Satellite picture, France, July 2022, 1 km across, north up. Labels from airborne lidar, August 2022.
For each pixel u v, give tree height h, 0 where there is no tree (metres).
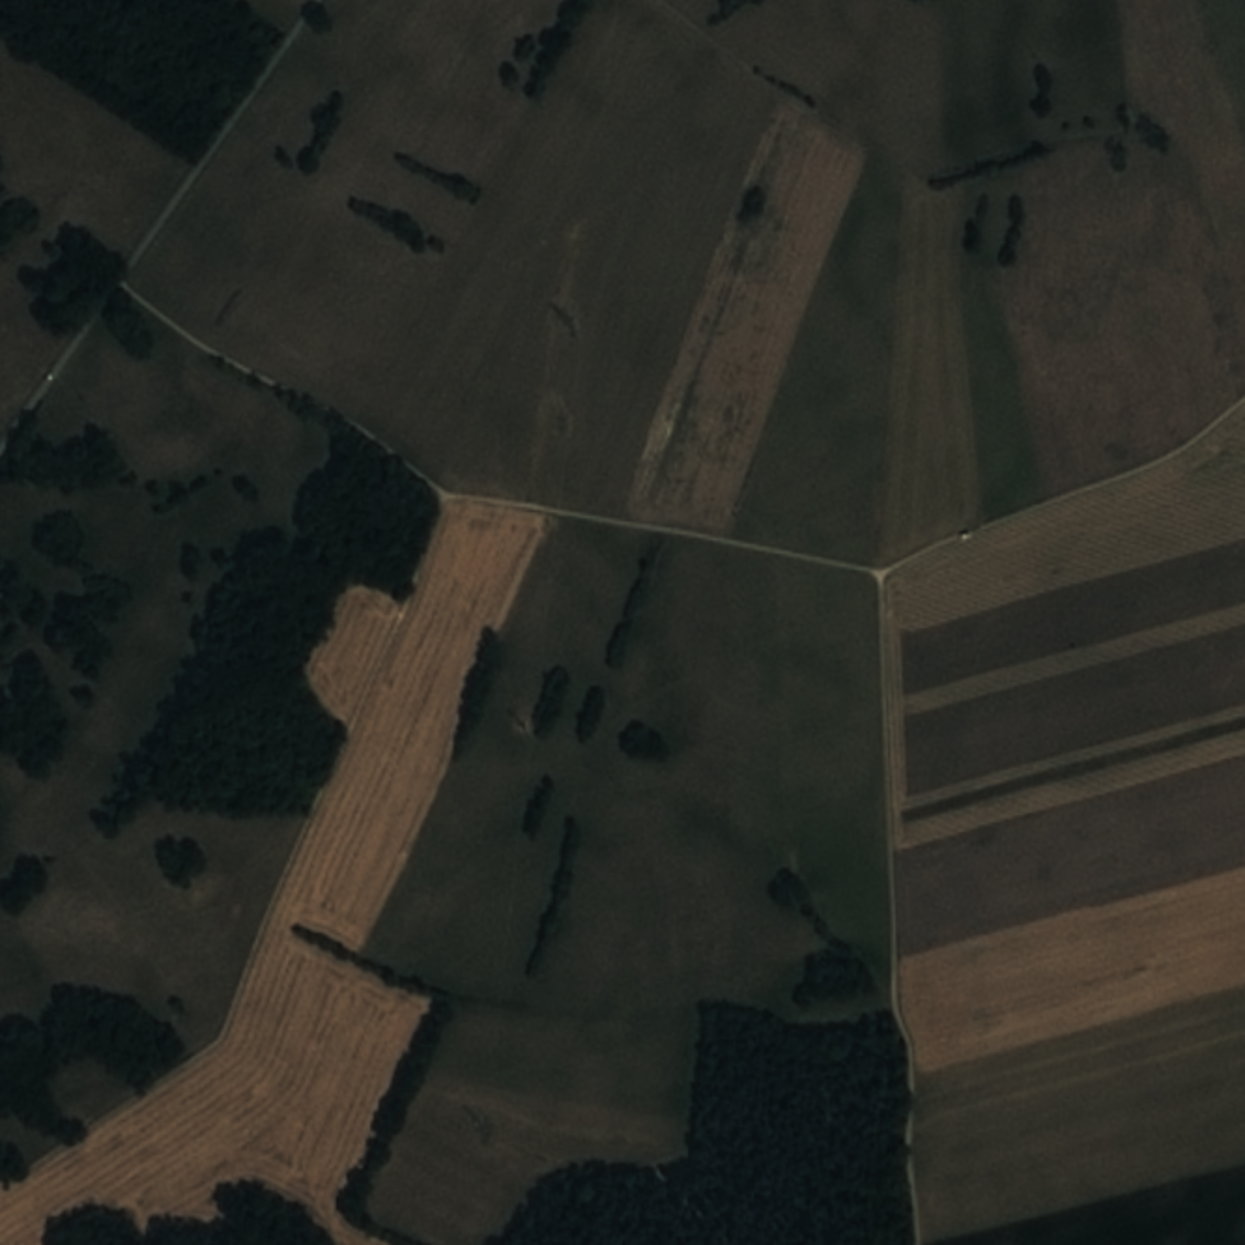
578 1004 0
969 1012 0
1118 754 0
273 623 18
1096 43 0
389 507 19
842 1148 20
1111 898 0
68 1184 0
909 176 0
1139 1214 0
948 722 0
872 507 0
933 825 0
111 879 0
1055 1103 0
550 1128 0
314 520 18
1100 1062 0
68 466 21
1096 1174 0
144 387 0
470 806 0
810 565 0
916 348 0
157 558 0
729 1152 26
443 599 0
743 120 0
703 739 0
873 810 0
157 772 23
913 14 0
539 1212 21
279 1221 19
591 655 0
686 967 0
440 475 0
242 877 0
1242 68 0
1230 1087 0
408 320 0
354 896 0
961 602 0
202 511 0
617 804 0
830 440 0
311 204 0
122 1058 21
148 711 0
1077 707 0
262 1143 0
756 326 0
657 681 0
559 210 0
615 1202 25
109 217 0
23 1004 0
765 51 0
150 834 0
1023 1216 0
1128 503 0
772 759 0
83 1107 0
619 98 0
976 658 0
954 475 0
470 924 0
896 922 0
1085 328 0
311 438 0
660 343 0
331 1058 0
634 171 0
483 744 0
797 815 0
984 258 0
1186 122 0
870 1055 23
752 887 0
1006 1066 0
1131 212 0
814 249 0
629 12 0
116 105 10
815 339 0
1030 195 0
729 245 0
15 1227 0
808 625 0
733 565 0
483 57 0
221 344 0
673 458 0
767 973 0
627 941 0
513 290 0
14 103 0
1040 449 0
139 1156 0
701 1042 7
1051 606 0
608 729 0
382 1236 10
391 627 0
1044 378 0
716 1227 21
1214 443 0
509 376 0
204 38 12
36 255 0
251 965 0
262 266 0
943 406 0
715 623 0
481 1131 0
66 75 9
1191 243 0
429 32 0
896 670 0
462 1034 0
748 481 0
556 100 0
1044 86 12
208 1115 0
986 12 0
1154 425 0
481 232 0
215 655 19
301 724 19
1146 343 0
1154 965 0
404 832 0
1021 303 0
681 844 0
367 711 0
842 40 0
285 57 0
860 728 0
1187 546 0
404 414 0
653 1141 0
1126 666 0
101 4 12
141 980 0
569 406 0
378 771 0
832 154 0
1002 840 0
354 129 0
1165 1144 0
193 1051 0
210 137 12
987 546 0
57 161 0
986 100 0
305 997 0
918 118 0
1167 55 0
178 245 0
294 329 0
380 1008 0
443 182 8
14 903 16
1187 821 0
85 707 7
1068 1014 0
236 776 16
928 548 0
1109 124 0
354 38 0
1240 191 0
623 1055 0
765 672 0
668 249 0
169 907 0
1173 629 0
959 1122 0
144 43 9
